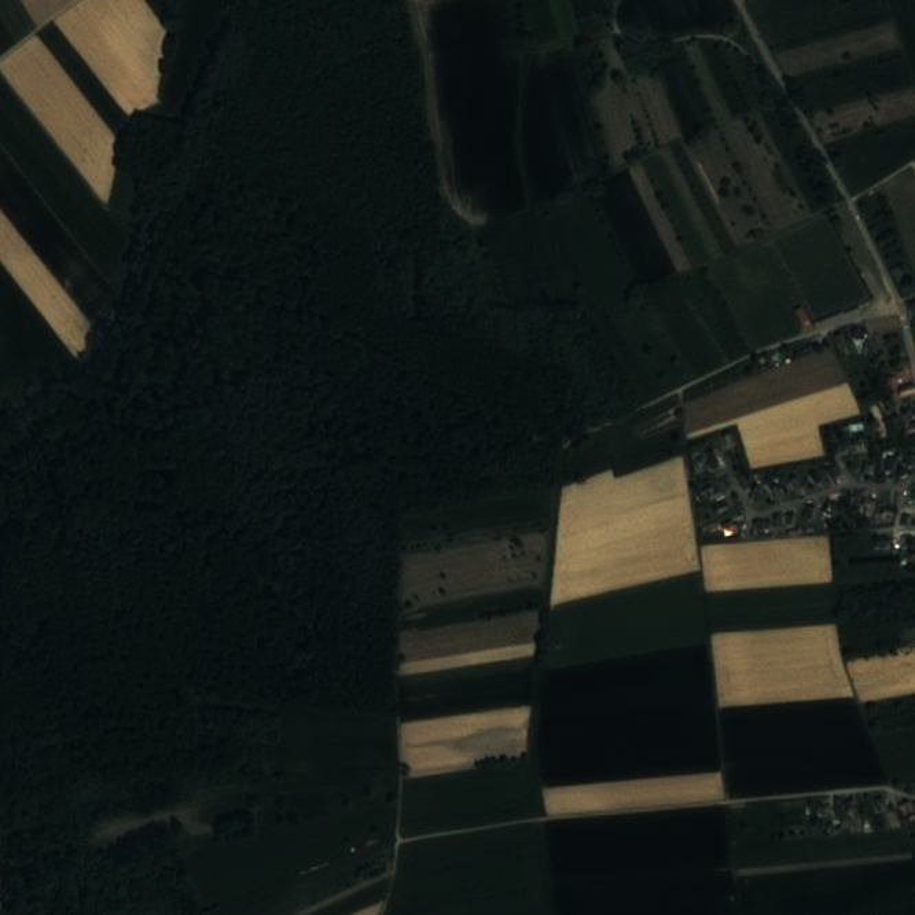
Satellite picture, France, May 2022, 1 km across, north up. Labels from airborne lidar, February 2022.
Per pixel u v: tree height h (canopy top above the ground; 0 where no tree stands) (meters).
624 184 0
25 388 0
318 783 0
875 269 0
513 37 0
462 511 0
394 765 0
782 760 0
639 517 0
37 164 0
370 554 22
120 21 0
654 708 0
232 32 18
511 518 0
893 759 0
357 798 0
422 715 0
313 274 17
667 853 0
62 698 34
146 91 0
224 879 0
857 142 0
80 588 29
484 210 0
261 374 19
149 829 0
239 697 20
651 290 0
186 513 31
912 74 0
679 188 0
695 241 0
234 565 34
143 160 20
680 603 0
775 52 0
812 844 0
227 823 18
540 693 0
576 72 0
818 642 0
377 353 24
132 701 25
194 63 0
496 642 0
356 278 19
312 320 23
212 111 19
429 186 15
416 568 0
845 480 0
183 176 20
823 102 0
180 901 20
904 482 0
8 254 0
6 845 26
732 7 0
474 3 0
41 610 31
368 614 23
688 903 0
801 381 0
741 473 7
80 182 0
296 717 0
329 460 21
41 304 0
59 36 0
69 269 0
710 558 0
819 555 0
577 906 0
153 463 33
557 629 0
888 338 7
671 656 0
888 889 0
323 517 20
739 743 0
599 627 0
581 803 0
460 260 20
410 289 0
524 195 0
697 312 0
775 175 0
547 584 0
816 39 0
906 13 0
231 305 28
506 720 0
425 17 0
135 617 0
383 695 19
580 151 0
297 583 27
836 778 0
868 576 0
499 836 0
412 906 0
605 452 0
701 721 0
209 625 28
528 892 0
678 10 0
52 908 29
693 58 0
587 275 0
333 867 0
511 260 0
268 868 0
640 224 0
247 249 24
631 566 0
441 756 0
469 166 0
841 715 0
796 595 0
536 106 0
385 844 0
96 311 0
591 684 0
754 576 0
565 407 17
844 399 0
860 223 0
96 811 23
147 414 30
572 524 0
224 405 26
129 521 30
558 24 0
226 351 25
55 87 0
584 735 0
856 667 0
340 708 19
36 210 0
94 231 0
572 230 0
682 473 0
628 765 0
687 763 0
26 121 0
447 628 0
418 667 0
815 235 0
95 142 0
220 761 23
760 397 0
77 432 29
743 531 0
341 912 0
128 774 21
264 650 27
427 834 0
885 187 0
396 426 29
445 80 0
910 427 0
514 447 20
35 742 21
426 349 19
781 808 0
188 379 28
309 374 22
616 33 0
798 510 0
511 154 0
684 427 0
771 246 0
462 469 25
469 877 0
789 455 0
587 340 20
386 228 18
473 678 0
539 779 0
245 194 22
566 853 0
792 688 0
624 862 0
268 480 24
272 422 22
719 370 0
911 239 0
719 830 0
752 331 0
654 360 0
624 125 0
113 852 0
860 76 0
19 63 0
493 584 0
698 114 0
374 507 20
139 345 29
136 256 19
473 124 0
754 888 0
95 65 0
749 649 0
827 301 0
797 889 0
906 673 0
